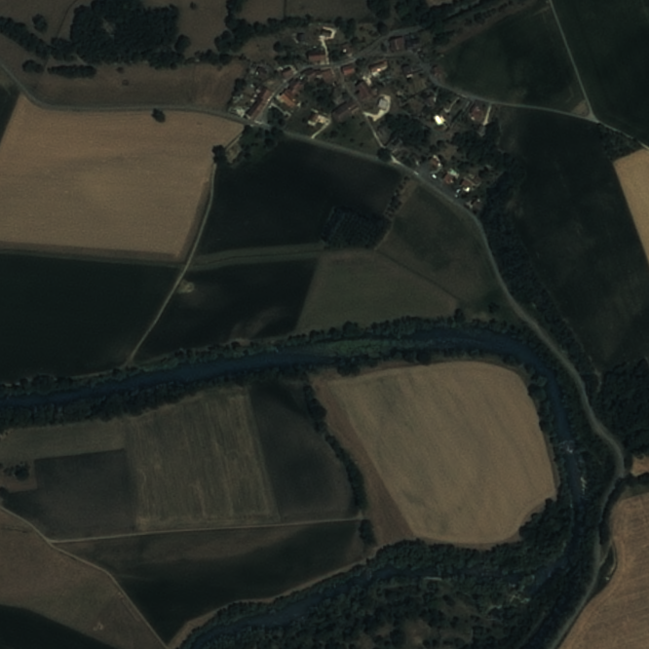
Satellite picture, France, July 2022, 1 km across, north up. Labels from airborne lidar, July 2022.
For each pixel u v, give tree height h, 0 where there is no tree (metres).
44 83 0
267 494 0
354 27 12
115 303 0
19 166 0
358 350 0
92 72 17
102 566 0
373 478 0
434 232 0
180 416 0
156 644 0
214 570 0
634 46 0
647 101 0
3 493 14
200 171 0
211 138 0
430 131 9
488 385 0
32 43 14
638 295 0
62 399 0
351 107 0
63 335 0
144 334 0
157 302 0
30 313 0
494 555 15
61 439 0
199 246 0
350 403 0
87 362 0
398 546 8
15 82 0
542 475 0
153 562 0
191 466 0
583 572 21
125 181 0
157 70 12
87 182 0
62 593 0
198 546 0
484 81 0
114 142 0
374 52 0
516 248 14
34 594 0
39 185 0
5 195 0
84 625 0
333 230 25
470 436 0
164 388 25
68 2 0
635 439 22
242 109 0
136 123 0
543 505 0
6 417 20
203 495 0
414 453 0
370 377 0
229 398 0
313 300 0
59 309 0
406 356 20
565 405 12
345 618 13
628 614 0
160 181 0
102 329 0
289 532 0
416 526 0
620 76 0
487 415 0
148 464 0
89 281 0
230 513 0
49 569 0
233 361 0
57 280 0
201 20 0
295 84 0
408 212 0
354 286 0
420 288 0
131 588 0
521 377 0
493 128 13
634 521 0
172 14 18
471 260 0
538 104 0
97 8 17
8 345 0
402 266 0
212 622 10
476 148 12
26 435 0
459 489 0
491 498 0
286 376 20
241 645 14
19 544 0
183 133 0
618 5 0
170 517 0
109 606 0
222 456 0
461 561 12
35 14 0
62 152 0
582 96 0
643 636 0
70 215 0
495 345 0
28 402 0
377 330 19
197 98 0
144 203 0
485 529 0
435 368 0
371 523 13
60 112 0
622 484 16
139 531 0
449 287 0
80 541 0
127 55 13
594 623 0
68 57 14
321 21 12
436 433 0
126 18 24
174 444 0
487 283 0
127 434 0
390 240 0
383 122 6
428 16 14
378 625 17
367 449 0
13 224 0
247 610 13
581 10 0
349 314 0
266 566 0
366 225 33
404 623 11
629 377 26
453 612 0
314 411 22
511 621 23
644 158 0
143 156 0
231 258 0
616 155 6
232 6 17
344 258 0
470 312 0
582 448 22
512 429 0
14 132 0
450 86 0
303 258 0
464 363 0
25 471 12
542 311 16
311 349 0
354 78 0
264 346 8
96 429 0
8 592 0
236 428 0
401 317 0
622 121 0
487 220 10
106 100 0
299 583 0
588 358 15
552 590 13
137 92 0
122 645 0
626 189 0
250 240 0
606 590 0
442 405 0
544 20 0
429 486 0
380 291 0
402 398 0
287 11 0
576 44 0
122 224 0
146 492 0
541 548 12
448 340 0
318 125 0
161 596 0
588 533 24
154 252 0
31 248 0
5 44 0
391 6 10
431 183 0
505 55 0
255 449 0
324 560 0
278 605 10
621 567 0
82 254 0
